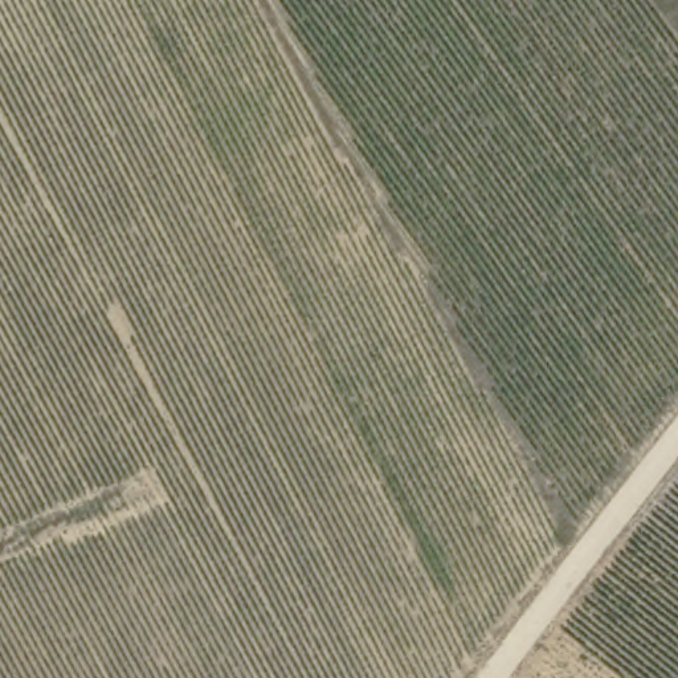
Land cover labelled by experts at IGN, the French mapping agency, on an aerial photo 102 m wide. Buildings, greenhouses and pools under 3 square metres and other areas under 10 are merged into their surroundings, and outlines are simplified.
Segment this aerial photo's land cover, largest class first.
<instances>
[{"label":"vineyard","instance_id":"1","mask_svg":"<svg viewBox=\"0 0 678 678\"><path fill-rule=\"evenodd\" d=\"M678 416V0H0V678H477L487 659L501 649L506 636L524 617V612L532 606V601L543 593L554 572L564 564L575 540L593 527L606 503L622 487V482L633 474L641 458L652 450V445ZM509 678H678V458L665 471L654 493H649V498L638 506L633 519L604 548L599 561L580 580L575 593L546 625V630L538 636L532 649L519 659Z\"/></svg>","mask_w":678,"mask_h":678},{"label":"pervious surface","instance_id":"2","mask_svg":"<svg viewBox=\"0 0 678 678\"><path fill-rule=\"evenodd\" d=\"M678 458V416L652 445V450L641 458L633 474L622 482V487L606 503L593 527L575 540L564 564L554 572L543 593L532 601V606L524 612V617L506 636L501 649L487 659L477 678H509L519 659L532 649L538 636L546 630V625L575 593L580 580L599 561L604 548L633 519L638 506L649 498V493H654L665 471Z\"/></svg>","mask_w":678,"mask_h":678}]
</instances>
